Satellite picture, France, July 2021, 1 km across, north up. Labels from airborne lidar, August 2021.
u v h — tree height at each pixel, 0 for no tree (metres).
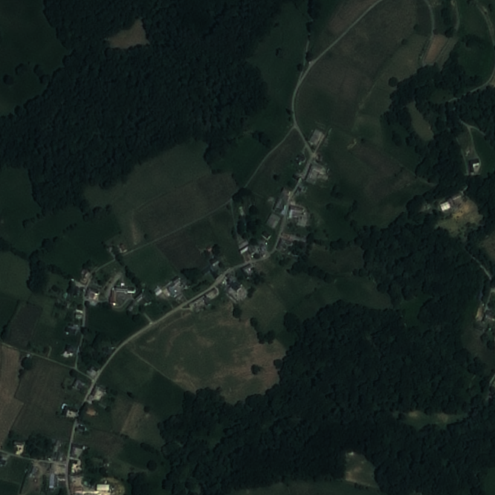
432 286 23
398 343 25
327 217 0
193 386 0
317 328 29
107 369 0
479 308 0
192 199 0
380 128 0
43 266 16
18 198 0
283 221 0
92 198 0
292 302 0
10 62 0
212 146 20
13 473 0
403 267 29
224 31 26
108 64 28
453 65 16
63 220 0
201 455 24
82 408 13
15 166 15
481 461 18
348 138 0
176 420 22
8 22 0
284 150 0
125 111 22
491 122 26
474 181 24
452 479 24
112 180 12
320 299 0
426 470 26
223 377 0
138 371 0
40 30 0
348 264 0
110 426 0
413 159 0
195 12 16
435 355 21
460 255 13
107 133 27
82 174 24
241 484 22
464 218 0
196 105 32
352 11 0
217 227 0
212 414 9
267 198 0
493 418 29
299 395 30
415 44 0
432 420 0
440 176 13
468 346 0
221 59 29
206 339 0
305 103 0
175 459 28
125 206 0
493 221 18
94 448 0
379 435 29
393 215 0
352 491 0
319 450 31
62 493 11
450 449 28
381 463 23
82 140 33
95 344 14
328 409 35
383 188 0
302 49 0
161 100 24
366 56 0
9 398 0
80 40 29
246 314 0
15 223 0
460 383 28
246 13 26
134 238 0
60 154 23
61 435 0
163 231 0
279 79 0
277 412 25
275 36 0
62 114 27
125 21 21
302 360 27
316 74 0
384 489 19
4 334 14
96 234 0
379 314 24
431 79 21
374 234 26
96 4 19
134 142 25
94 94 29
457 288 28
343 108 0
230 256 0
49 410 0
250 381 0
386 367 22
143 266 0
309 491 0
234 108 32
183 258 0
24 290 0
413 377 24
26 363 19
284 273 0
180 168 0
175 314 0
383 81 0
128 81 26
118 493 0
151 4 8
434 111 7
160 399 0
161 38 35
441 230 22
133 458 0
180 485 31
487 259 34
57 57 0
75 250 0
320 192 0
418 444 29
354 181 0
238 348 0
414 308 0
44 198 23
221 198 0
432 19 0
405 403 33
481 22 0
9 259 0
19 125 27
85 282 0
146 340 0
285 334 0
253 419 26
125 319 0
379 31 0
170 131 23
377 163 0
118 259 14
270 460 27
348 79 0
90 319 0
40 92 0
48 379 0
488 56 0
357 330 24
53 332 0
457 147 23
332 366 20
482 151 0
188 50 31
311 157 0
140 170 0
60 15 25
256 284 8
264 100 25
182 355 0
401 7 0
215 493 14
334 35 0
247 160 0
